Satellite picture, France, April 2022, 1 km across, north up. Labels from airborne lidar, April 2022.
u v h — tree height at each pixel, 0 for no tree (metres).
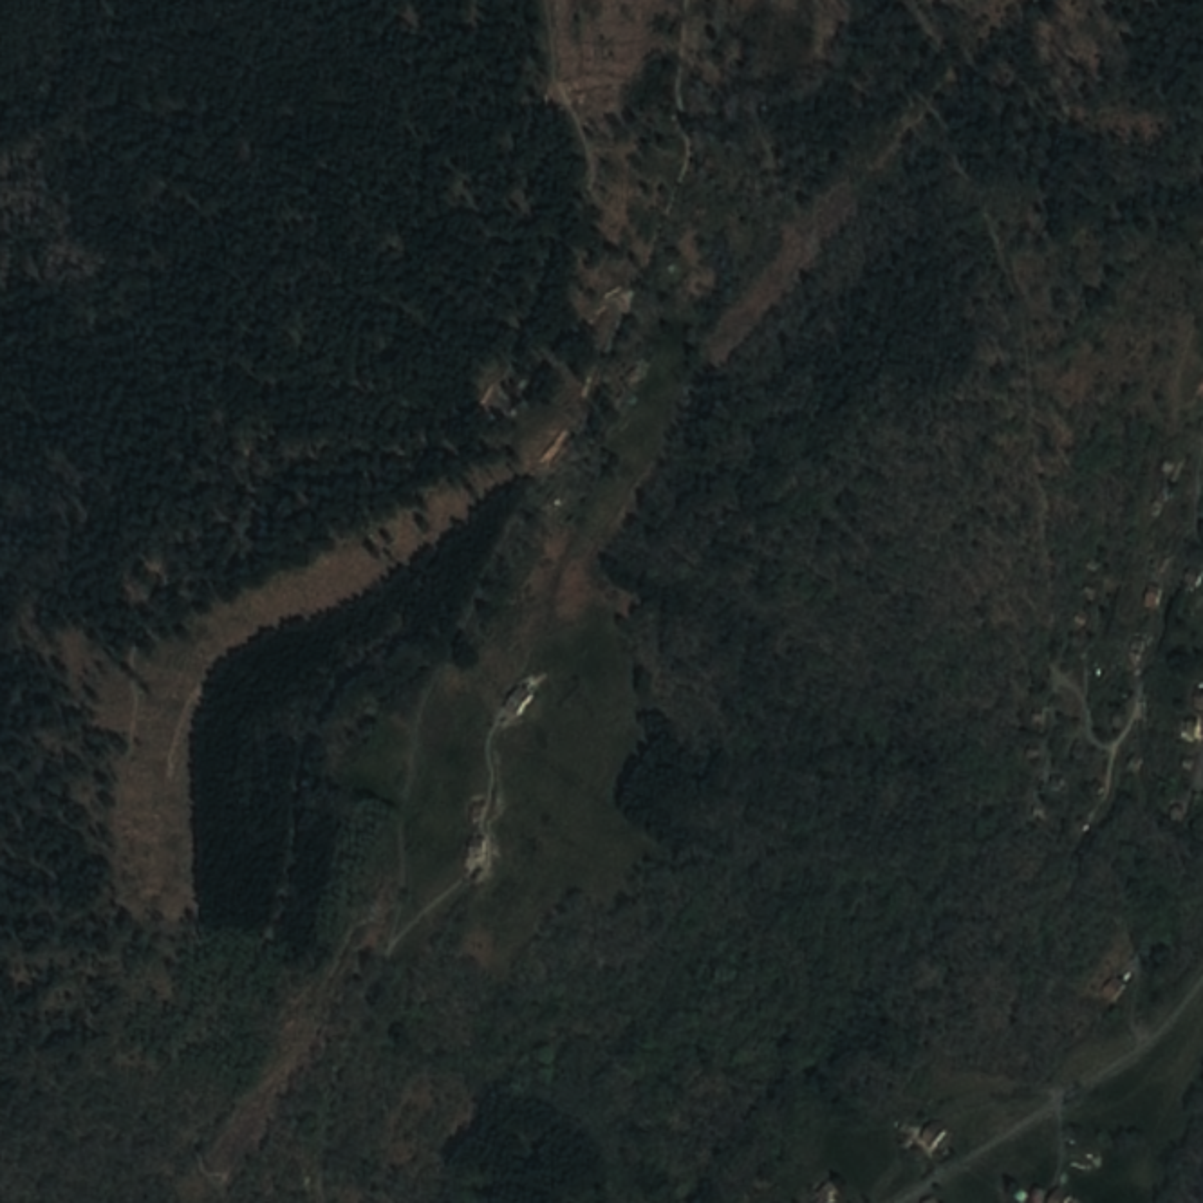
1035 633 18
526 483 15
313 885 17
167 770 0
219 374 28
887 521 19
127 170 19
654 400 0
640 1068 17
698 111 28
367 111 21
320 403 25
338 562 0
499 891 0
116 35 18
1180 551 0
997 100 34
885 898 20
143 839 0
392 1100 21
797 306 6
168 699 0
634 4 0
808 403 16
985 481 24
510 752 0
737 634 23
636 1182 14
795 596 17
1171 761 9
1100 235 11
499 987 8
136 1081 7
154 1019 12
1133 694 8
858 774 17
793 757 11
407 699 27
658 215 8
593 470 21
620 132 31
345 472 23
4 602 24
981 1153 0
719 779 29
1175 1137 0
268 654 15
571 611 0
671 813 23
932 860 24
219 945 21
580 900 21
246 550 19
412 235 24
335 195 24
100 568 21
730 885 19
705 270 15
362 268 22
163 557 27
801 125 18
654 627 7
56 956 14
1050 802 11
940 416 21
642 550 28
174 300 21
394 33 20
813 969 16
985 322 22
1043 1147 0
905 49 14
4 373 24
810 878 11
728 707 19
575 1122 30
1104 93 29
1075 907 19
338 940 7
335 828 20
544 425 0
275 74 18
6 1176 17
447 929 23
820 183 20
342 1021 13
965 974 8
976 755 20
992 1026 7
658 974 19
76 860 28
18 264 15
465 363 30
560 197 28
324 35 14
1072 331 17
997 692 22
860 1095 16
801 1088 16
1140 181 16
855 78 12
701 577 21
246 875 19
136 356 27
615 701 0
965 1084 0
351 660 15
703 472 12
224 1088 8
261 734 14
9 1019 21
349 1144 14
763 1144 29
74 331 30
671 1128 8
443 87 25
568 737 0
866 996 13
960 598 23
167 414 21
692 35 0
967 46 7
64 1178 17
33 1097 7
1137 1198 0
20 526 16
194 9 17
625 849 0
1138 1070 0
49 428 7
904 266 29
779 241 9
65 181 22
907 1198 0
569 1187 28
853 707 19
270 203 25
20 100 14
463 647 23
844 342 13
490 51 21
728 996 21
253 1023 9
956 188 18
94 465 22
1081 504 17
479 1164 31
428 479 30
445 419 10
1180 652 7
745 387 10
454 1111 6
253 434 24
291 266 18
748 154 21
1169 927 16
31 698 11
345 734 19
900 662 19
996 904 16
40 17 17
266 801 17
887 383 25
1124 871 19
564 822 0
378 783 0
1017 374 24
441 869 0
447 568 19
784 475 10
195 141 26
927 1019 15
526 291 28
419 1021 13
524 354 23
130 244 19
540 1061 14
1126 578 7
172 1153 11
